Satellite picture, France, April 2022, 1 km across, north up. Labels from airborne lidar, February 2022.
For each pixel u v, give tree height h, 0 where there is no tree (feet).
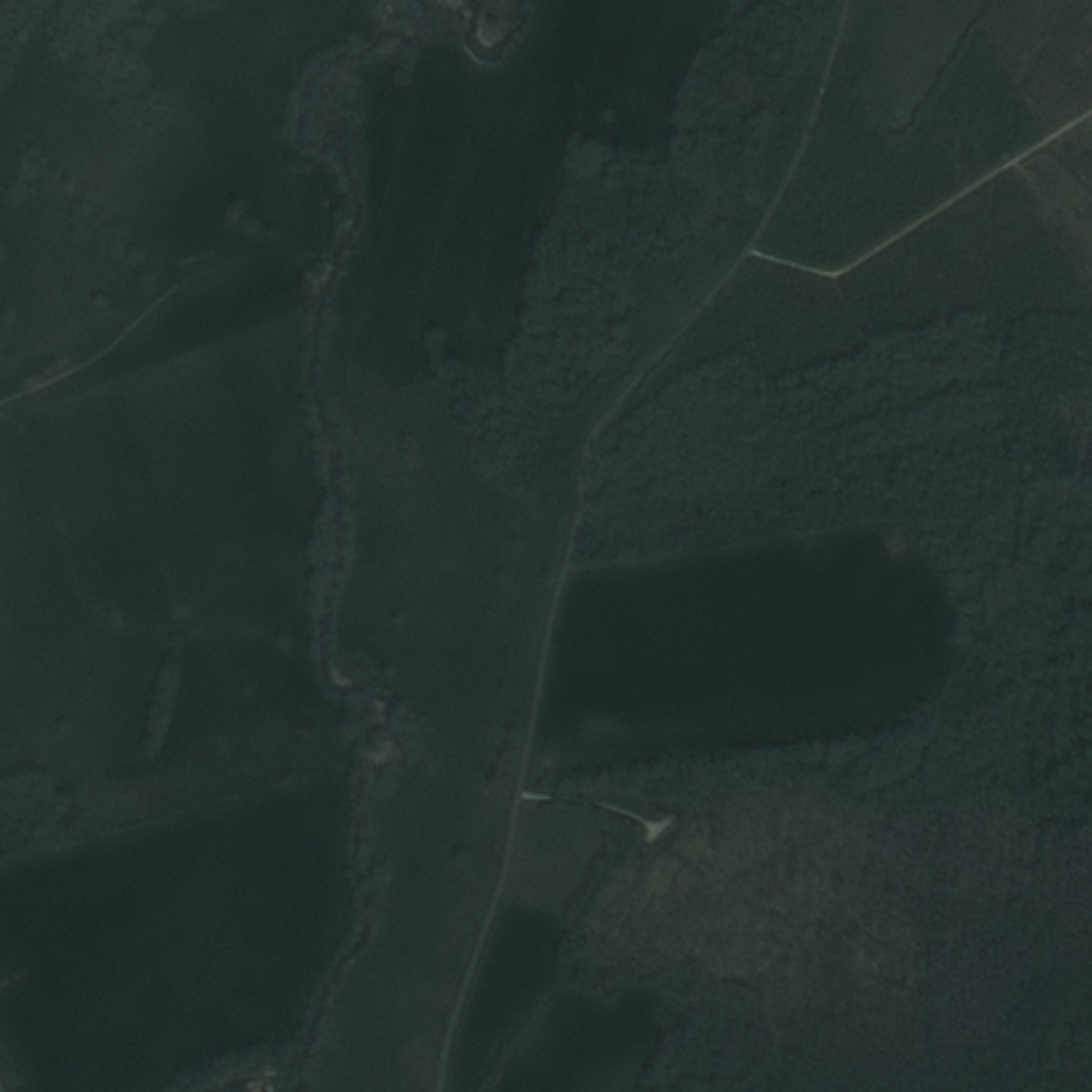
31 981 0
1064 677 93
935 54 0
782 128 29
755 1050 73
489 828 0
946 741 77
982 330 82
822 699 0
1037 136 20
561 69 0
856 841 0
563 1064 0
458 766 0
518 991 0
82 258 0
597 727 0
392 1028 0
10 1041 0
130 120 31
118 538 0
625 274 79
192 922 0
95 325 0
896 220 20
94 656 0
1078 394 75
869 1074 80
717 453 92
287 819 0
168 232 0
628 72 0
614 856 52
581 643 0
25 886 0
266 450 0
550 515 0
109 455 0
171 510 0
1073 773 83
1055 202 0
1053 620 31
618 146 43
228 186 0
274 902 0
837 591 0
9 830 59
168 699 75
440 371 51
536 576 0
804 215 25
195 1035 0
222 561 0
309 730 0
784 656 0
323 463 57
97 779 0
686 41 0
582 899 52
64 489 0
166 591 0
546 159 0
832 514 36
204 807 0
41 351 0
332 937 0
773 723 0
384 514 0
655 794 43
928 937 68
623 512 68
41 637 0
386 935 0
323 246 0
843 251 20
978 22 20
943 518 65
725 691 0
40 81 0
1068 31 18
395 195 0
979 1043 75
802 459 41
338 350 0
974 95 24
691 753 0
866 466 65
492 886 0
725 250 20
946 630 0
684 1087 72
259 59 0
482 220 0
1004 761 77
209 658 0
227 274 0
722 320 30
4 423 0
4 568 0
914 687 0
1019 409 45
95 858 0
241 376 0
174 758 0
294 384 0
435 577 0
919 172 21
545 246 70
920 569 0
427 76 0
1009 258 23
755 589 0
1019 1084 84
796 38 84
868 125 25
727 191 79
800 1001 94
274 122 0
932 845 69
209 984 0
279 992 0
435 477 0
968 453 81
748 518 63
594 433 0
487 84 0
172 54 0
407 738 62
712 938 0
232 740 0
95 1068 0
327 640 47
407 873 0
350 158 61
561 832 0
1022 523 35
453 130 0
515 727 28
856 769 48
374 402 0
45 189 53
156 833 0
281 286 0
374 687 60
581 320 54
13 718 0
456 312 0
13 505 0
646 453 73
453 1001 0
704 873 0
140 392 0
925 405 58
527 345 66
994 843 73
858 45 0
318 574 47
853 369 84
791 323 20
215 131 0
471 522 0
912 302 20
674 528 22
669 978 62
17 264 0
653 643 0
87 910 0
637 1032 0
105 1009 0
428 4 56
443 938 0
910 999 83
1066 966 75
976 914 68
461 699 0
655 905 0
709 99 84
